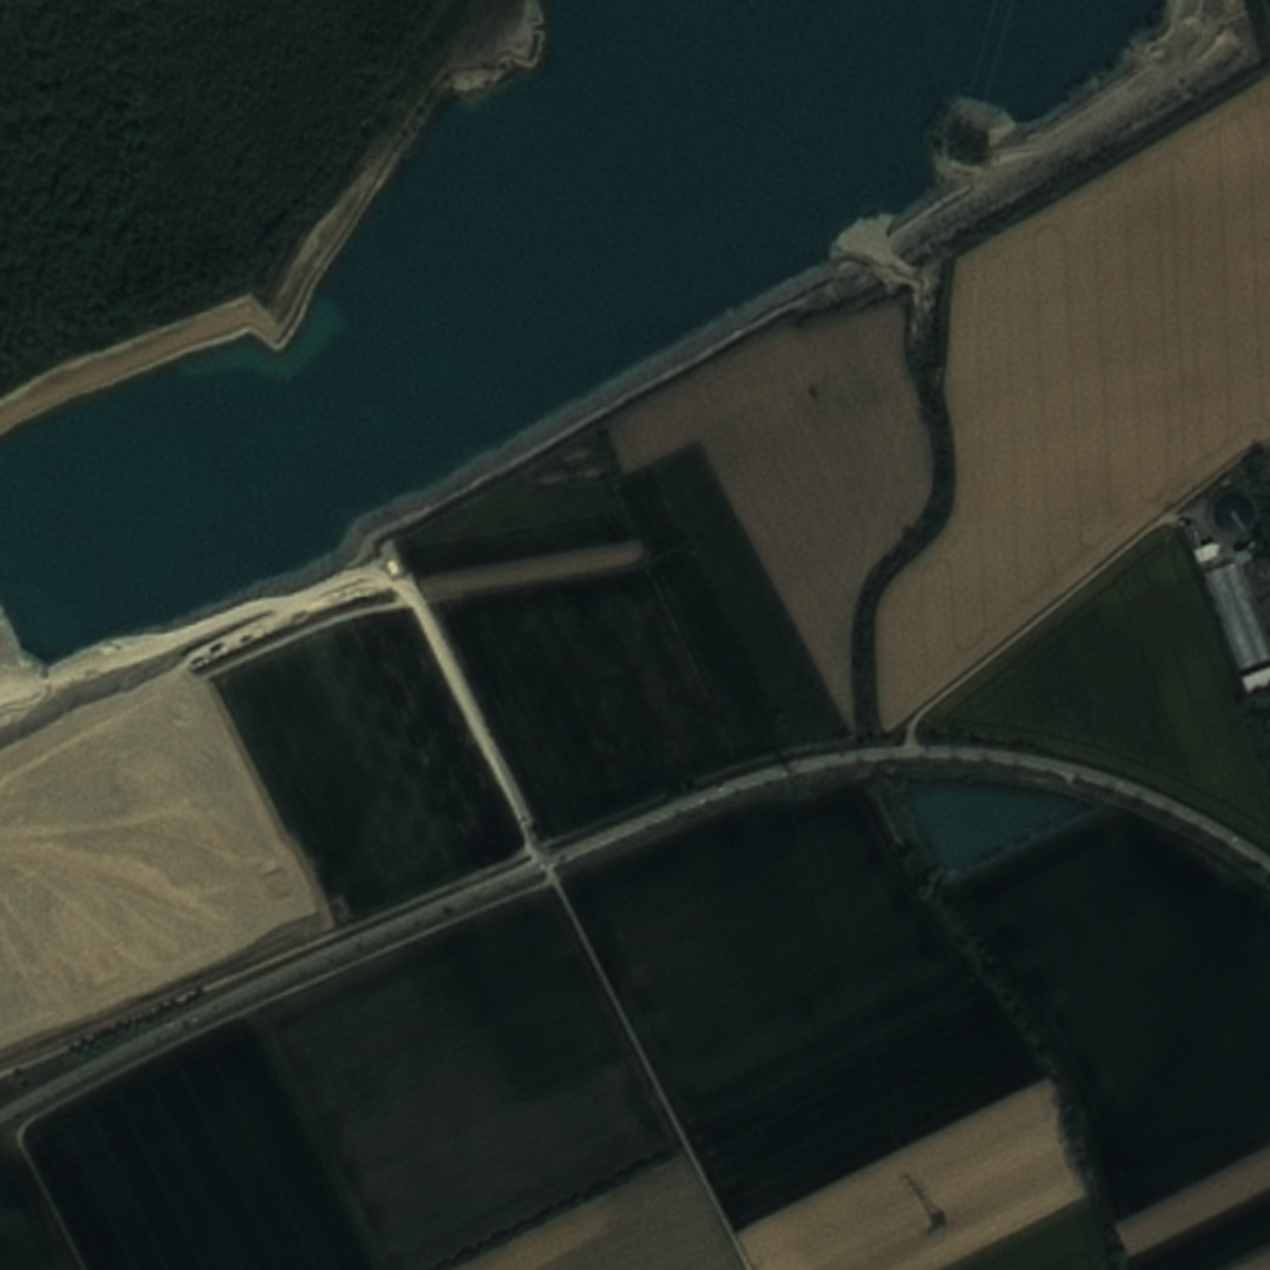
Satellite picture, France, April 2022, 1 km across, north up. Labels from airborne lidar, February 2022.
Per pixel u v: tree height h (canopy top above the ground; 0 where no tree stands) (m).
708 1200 0
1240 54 0
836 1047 0
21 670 0
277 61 13
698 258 0
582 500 0
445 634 0
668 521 0
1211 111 0
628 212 0
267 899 0
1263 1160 0
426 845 0
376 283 0
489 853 0
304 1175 0
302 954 0
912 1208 0
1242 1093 0
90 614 0
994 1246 0
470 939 0
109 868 0
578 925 0
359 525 0
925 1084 0
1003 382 0
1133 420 0
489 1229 0
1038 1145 0
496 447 0
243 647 0
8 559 0
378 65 13
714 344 0
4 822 0
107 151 19
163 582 0
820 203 0
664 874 0
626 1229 0
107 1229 0
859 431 0
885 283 0
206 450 0
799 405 0
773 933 0
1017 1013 7
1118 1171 0
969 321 0
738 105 0
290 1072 0
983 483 0
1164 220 0
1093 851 0
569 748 0
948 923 0
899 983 0
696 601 0
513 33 0
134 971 0
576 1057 0
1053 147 0
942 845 0
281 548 0
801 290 0
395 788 0
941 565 0
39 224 17
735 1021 0
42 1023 0
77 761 0
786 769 0
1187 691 0
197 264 12
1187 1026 0
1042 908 0
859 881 0
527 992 0
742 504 0
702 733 0
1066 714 0
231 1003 0
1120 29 0
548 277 0
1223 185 0
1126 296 0
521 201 0
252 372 0
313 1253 0
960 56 0
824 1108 0
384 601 0
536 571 0
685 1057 0
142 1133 0
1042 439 0
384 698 0
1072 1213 0
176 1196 0
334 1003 0
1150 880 0
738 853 0
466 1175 0
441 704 0
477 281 0
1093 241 0
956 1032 0
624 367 0
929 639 0
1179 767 0
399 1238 0
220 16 10
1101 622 0
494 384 0
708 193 0
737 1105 0
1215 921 0
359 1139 0
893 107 0
